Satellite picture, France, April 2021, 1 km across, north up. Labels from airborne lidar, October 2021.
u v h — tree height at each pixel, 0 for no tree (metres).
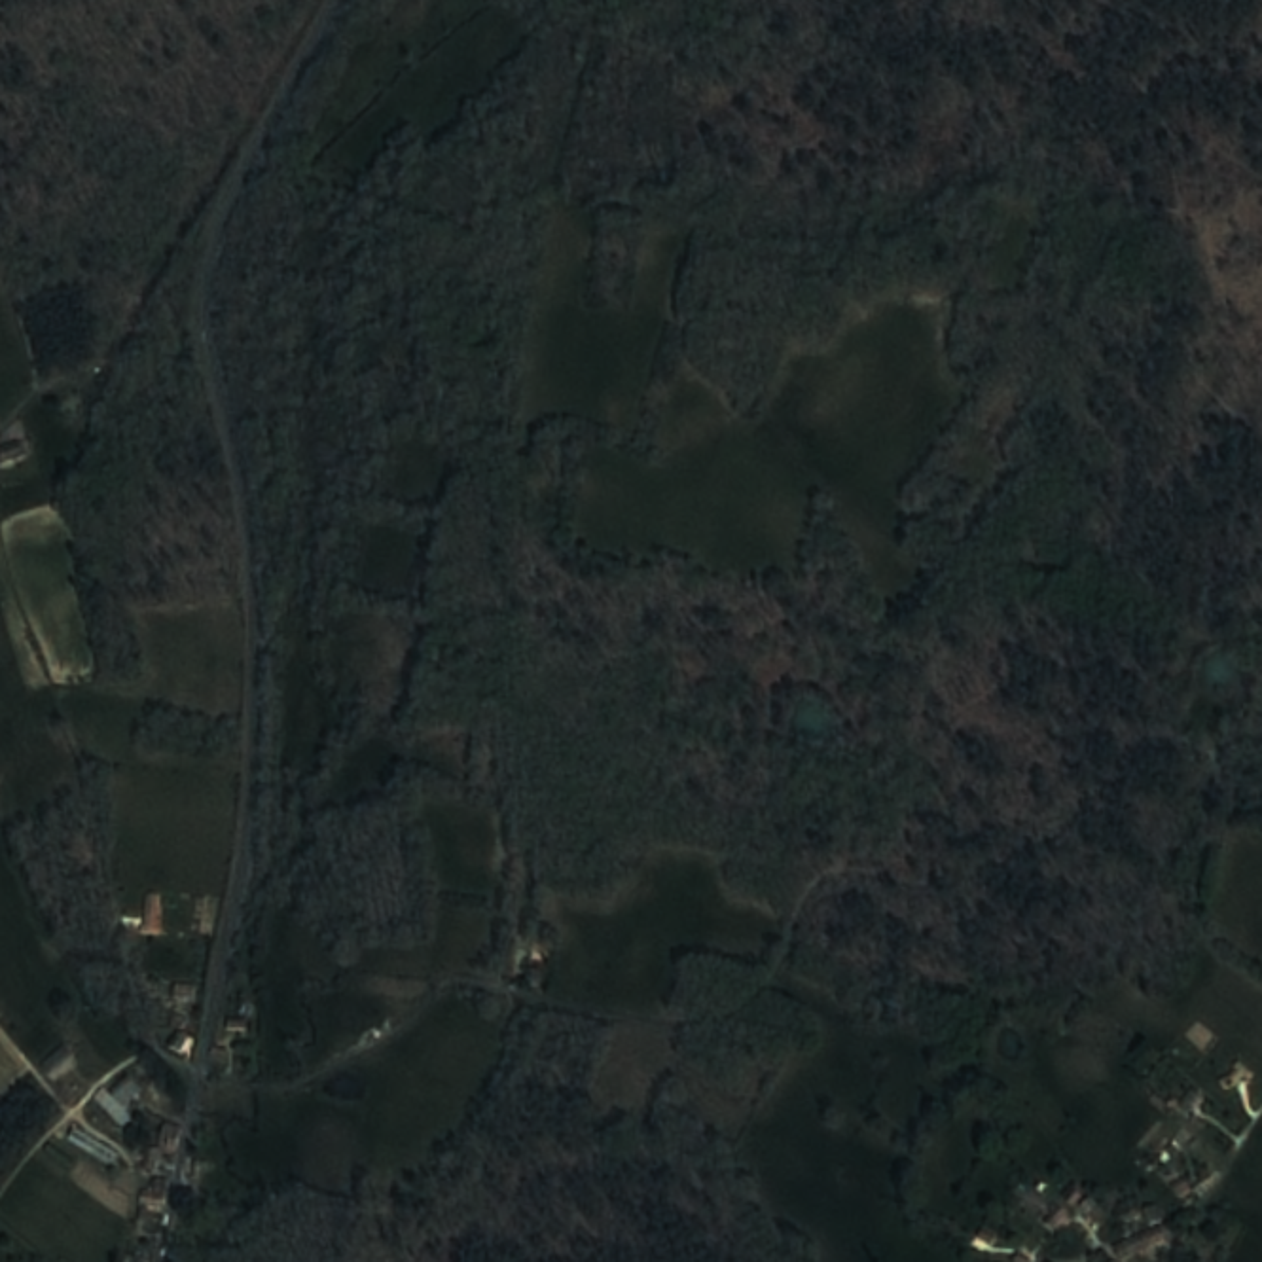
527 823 15
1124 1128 0
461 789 6
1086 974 9
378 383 13
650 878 0
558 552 22
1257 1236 0
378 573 0
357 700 9
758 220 14
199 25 15
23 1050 0
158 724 20
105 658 16
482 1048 0
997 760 17
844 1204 0
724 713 10
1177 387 22
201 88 18
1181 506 25
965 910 15
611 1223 17
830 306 23
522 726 16
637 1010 0
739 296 21
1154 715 9
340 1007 0
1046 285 17
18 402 0
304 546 7
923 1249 0
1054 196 25
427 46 7
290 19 15
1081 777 18
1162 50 26
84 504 19
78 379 19
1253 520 9
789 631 12
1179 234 14
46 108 18
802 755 20
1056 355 24
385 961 0
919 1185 20
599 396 0
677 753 20
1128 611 19
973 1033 21
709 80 20
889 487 0
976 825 11
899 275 21
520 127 21
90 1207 0
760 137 7
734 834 15
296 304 15
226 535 14
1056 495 18
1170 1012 0
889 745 20
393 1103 0
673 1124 20
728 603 15
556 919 0
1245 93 20
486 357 14
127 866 0
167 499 14
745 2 15
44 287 16
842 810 17
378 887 34
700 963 21
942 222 21
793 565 0
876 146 11
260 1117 7
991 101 17
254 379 14
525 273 14
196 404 24
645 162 18
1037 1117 0
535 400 0
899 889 19
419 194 15
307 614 16
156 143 21
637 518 0
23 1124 18
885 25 12
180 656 0
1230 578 23
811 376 0
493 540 14
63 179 18
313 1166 0
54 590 0
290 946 0
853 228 13
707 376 14
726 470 0
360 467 17
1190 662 19
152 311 15
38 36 17
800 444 0
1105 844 22
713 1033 18
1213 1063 0
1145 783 24
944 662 17
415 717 17
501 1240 13
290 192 23
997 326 15
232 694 0
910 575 0
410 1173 0
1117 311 19
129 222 20
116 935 9
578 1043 14
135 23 16
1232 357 17
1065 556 17
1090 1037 0
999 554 23
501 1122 26
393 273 23
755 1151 0
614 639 19
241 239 14
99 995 15
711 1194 25
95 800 17
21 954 0
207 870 0
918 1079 0
